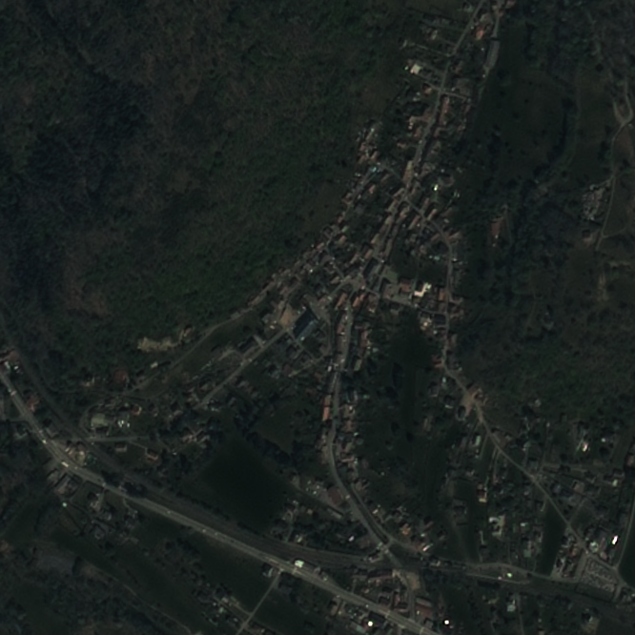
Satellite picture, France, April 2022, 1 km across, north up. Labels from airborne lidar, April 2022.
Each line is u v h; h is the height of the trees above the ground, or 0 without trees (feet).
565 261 46
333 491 0
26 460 105
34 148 48
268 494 0
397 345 0
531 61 88
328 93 66
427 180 33
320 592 23
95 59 61
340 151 57
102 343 38
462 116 22
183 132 0
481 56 52
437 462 0
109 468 0
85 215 64
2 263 37
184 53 50
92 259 54
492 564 0
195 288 40
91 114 73
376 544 0
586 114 0
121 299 53
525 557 0
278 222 55
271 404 39
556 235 55
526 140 0
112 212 27
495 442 0
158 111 51
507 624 28
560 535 0
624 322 45
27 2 53
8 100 51
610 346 43
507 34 0
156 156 65
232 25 66
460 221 0
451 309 0
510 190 34
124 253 30
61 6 55
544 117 0
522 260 61
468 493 0
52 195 69
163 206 30
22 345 54
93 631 0
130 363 31
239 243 30
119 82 55
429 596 43
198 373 0
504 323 0
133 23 53
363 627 0
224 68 62
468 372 0
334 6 62
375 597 0
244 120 46
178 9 52
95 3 64
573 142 46
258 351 0
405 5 61
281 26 75
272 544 0
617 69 47
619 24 69
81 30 68
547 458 0
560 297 49
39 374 56
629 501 23
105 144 79
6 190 33
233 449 0
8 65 50
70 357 52
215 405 0
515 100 0
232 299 59
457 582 42
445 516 0
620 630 0
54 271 74
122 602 51
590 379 43
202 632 0
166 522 0
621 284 0
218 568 0
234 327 0
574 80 61
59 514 39
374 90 0
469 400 0
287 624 0
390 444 26
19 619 58
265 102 51
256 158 55
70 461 0
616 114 0
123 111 81
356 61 39
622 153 0
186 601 0
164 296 52
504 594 0
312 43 61
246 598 0
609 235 0
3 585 20
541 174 30
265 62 55
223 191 57
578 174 0
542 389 43
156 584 0
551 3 61
